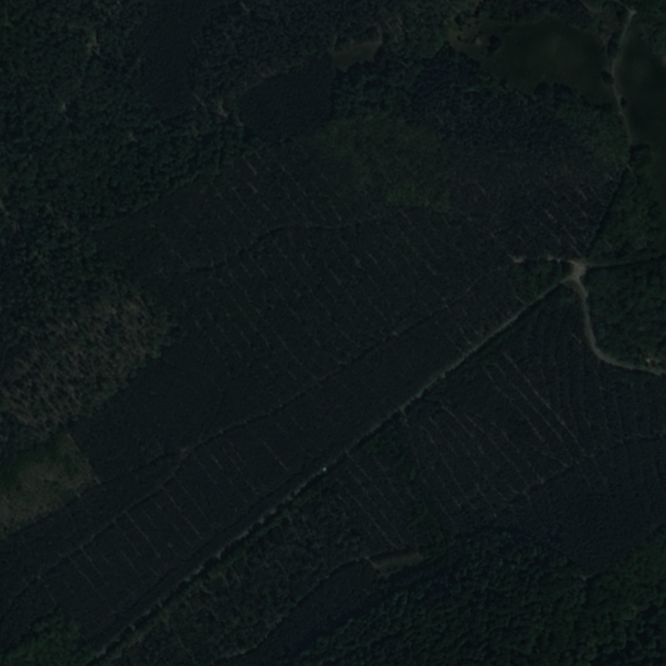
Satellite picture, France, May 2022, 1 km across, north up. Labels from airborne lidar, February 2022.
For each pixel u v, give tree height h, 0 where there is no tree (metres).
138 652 6
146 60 15
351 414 15
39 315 7
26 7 29
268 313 17
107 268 26
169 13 14
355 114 25
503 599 33
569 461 14
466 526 17
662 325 36
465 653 32
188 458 15
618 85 0
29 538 21
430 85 28
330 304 19
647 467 18
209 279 17
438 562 22
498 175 17
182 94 14
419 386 17
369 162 18
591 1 0
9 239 11
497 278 19
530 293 19
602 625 34
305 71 15
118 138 29
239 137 24
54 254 25
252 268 19
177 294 16
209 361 17
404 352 17
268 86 15
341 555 31
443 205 16
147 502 16
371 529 18
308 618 12
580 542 20
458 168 19
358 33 27
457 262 19
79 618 17
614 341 30
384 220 16
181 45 14
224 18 28
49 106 29
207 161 23
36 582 20
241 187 18
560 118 23
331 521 9
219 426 15
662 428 16
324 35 30
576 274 0
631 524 17
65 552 18
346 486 15
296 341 17
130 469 17
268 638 7
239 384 16
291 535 33
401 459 11
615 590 31
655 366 16
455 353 16
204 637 6
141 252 20
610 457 18
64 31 24
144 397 18
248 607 33
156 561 15
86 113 23
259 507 16
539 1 15
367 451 12
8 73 28
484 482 16
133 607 17
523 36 0
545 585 28
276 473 17
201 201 20
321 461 17
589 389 15
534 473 17
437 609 33
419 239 18
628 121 0
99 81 23
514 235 20
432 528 14
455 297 20
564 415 13
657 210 15
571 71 0
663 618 36
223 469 15
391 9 23
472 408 12
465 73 33
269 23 29
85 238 18
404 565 0
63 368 24
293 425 15
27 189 28
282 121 16
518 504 16
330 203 11
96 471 16
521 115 27
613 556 16
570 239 19
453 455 14
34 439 16
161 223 19
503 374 13
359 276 17
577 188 18
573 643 36
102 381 23
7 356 10
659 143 0
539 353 16
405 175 18
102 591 15
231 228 18
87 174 31
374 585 13
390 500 15
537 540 12
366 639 27
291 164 17
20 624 22
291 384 19
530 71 0
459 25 16
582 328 15
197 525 16
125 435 18
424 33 25
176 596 24
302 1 26
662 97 0
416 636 30
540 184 22
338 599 13
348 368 16
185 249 19
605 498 16
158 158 30
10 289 11
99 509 22
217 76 27
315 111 14
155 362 19
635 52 0
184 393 17
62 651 29
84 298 26
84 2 22
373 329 15
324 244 18
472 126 27
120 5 24
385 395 15
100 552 16
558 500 17
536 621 27
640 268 23
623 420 14
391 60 11
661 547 30
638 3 18
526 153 21
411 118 22
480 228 21
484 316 19
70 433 18
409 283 18
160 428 13
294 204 16
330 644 26
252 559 7
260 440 16
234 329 17
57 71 28
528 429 15
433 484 17
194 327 19
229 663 11
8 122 29
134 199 21
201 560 16
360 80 28
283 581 8
